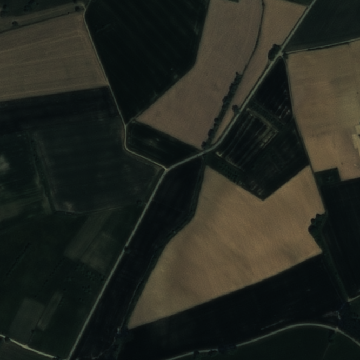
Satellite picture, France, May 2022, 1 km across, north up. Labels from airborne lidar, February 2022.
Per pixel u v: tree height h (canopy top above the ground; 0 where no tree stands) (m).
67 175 0
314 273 0
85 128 0
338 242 0
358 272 0
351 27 0
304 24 0
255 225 0
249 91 0
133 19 0
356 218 0
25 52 0
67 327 0
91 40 0
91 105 0
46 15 0
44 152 0
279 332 0
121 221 0
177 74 0
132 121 0
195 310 0
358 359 0
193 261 0
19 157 0
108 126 0
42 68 0
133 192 0
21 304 0
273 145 0
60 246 0
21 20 0
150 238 0
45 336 0
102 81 0
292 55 0
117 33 0
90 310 0
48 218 0
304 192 0
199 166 0
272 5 0
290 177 0
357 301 0
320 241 8
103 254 0
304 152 0
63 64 0
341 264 0
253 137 0
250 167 0
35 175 0
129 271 0
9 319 0
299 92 0
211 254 0
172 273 0
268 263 0
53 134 0
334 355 0
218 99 0
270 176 0
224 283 0
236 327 0
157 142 0
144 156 0
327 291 0
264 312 0
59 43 0
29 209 0
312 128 0
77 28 0
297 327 0
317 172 0
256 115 0
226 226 0
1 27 0
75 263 0
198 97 0
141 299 0
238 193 0
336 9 0
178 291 0
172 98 0
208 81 0
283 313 0
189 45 0
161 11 0
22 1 0
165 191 0
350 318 13
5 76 0
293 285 0
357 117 0
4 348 0
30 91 0
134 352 0
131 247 0
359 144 0
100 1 0
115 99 0
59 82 0
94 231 0
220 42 0
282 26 0
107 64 0
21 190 0
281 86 0
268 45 0
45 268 0
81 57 0
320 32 0
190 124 0
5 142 0
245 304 0
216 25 0
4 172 0
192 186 0
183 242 0
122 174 0
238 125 0
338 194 0
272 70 0
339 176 0
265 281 0
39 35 0
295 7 0
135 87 0
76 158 0
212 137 15
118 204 0
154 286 0
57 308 0
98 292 0
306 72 0
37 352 0
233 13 0
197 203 0
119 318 0
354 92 0
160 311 0
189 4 0
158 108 0
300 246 0
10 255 0
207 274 0
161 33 0
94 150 0
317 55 0
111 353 0
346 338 0
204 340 0
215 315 0
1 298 0
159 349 0
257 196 0
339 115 0
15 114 0
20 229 0
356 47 0
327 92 0
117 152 0
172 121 0
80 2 0
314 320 0
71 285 0
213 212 0
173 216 0
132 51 0
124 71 0
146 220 0
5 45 0
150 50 0
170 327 0
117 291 0
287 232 0
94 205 0
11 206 0
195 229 0
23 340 0
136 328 0
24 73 0
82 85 0
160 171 0
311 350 0
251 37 0
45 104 0
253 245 0
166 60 0
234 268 0
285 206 0
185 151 0
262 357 0
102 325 0
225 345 0
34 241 0
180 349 0
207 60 0
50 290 0
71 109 0
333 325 0
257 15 0
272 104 0
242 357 0
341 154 0
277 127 0
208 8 0
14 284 0
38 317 0
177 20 0
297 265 0
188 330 0
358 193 0
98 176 0
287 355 0
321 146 0
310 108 0
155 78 0
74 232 0
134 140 0
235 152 0
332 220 0
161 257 0
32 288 0
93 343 0
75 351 0
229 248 0
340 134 0
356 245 0
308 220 0
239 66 0
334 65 0
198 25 0
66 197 0
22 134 0
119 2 0
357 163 0
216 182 0
